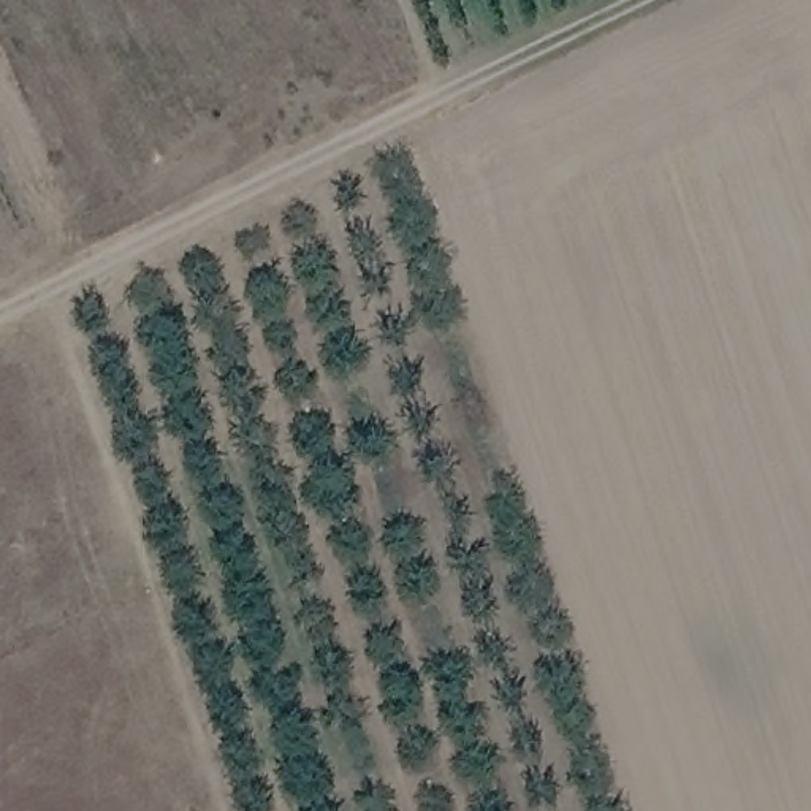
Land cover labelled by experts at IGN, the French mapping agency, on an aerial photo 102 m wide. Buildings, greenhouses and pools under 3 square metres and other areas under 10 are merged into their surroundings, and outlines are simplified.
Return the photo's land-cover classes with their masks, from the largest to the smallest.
<instances>
[{"label":"agricultural land","instance_id":"1","mask_svg":"<svg viewBox=\"0 0 811 811\"><path fill-rule=\"evenodd\" d=\"M421 67L396 0H0V301L16 295L22 285L60 272L76 260L79 250H86L95 241L114 238L117 231L139 222H152L162 209L174 212L190 206L193 200H200L206 187L234 174L272 146H295L307 133L329 136L342 124L352 127L406 101L412 95V86H418ZM434 60H463L466 67L529 41L535 35V16L548 19L561 6H577L580 13H586L608 0H412ZM393 149H406L412 155V165L421 177V193L431 200L437 212V238L440 247L450 253V279L463 295V317L456 323L463 326V342L469 348L472 380L482 386L488 399L491 421L504 431L507 456L516 466V475L526 494V510L539 523L542 558L554 577V592L573 624V653L583 668V691L596 713L592 722L599 741L608 754L611 798H621L627 811H811V0H678L646 19H637L573 51L564 60H554L551 67H542L507 82L501 92H491L488 98H456L453 105L434 108L428 117L396 130ZM193 738V732L181 706L168 649L162 643L155 608L139 570V558L130 535L120 532L117 501L111 494L98 447L89 434L76 383L67 374L57 326L51 320L48 310L38 307L0 329V811H206L212 805L209 779H200L193 773V763L187 760V741Z\"/></svg>","mask_w":811,"mask_h":811},{"label":"deciduous trees","instance_id":"2","mask_svg":"<svg viewBox=\"0 0 811 811\"><path fill-rule=\"evenodd\" d=\"M374 174L390 203V228L399 247L406 250V272L412 291V304L406 314H380V336L383 342L396 345L406 342V333L415 326L440 329L456 323L463 317V295L450 279V253L440 247L437 238V212L431 200L421 193V177L412 165V155L406 149H393L377 152ZM361 184L355 174L345 171L336 181L339 206L358 203ZM282 228L295 247L291 266L304 282L307 314L317 333L323 336V361L333 377H345L348 371L364 364L367 345L358 339L352 326L348 301L339 288L336 253L317 231V209L310 203L295 200L282 212ZM345 234L364 291L383 295L390 288V279L383 250L377 247L374 231L361 219H352L345 222ZM269 244V231L257 225L241 228L234 238L241 257L263 250ZM181 272L196 298L200 323L212 339L209 358L219 367L222 399L238 418V425H231L228 431L250 459V478L260 494V523L266 526L272 548L291 567V586L320 577V564L314 561L307 542V523L291 504V466L276 459V428L260 412L263 386L257 383L253 367L247 364L250 348L244 329L238 326V304L225 285L215 253L196 247L187 250L181 263ZM139 314L136 336L149 355L152 383L162 393V409H139L136 377L127 361V342L111 333L105 304V298L95 288H86L73 301V310L76 326L89 336V364L111 409L114 453L130 463L136 494L146 507L143 535L149 548L158 554L162 580L174 596V634L190 653L196 684L206 694L209 719L222 738L219 748L222 763L228 770L234 811H272L269 786L260 776L257 744L247 732L244 700L238 684L231 681L234 659L250 662L253 694L266 703L272 716L269 729L279 751L282 789L298 811H339V801L333 798V770L326 757L317 751L310 719H323L326 725L364 722V697L352 694L348 649L336 640L333 605L320 596H310L301 599L295 621L307 627L326 703L307 710L301 703V665L276 668L285 630L276 618L272 589L260 570L253 539L244 532V497L222 472V459L212 440V415L196 383V355L184 326V314L174 304V295L158 269H139L127 291ZM155 418H165L168 434L181 440L184 469L200 488V513L212 529V554L222 564L225 608L238 621L234 640L219 637L209 602L196 596L203 573L193 558V548L187 545L181 504L174 501L168 488V472L158 459L152 431ZM244 288L253 304V317L263 326L266 345L279 355L276 383L288 402L291 396H307L317 386V377L298 358L295 348V326L285 310L288 285L282 272L276 266H257L247 272ZM390 383L396 393H412L421 383V364L409 358L390 367ZM399 409L409 418L412 434L431 431V406L402 402ZM396 437L383 418L374 415L348 425V444L336 453L333 421L326 412L317 409L298 412L291 418V444L307 459V478L301 491L310 507H317V513L329 520L326 539L342 567L348 570L352 605L374 602L383 599V580L377 567L367 564V526L358 520V485L352 466L361 459L386 456ZM421 475L434 482L437 497L450 516L447 554L453 561V570H459L463 611L469 618L494 615L491 573L485 558L501 551L513 564V573L507 577V596L529 624V637L535 643H561L573 634V624L554 592V577L542 558L539 523L526 510V494L516 475L504 469L494 472L488 494V516L494 532L466 542L469 507L456 494L450 463L440 456L437 444L418 450ZM383 548L393 554L396 564L399 596H434L437 570L434 561L425 554L421 520L412 513H393L383 520ZM364 649L380 672V710L396 732L399 760L406 770H418L434 754L437 741L428 725H421V684L406 659L399 624L393 621L371 624L364 630ZM475 640L485 653V662L494 665L504 678L494 681V694L510 713L513 748L516 754H535L542 748V738L535 722L523 710V678L507 659V643L501 634H478ZM425 662L431 665L440 722L453 738V770L459 779L472 782L475 792L469 798V811H510L507 795L494 789L497 744L485 741V706L466 697V684L472 678L469 656L463 649H437L425 656ZM535 675L539 691L548 697V706L554 713V725L570 744V782L580 789L583 811H627L621 798H611L608 754L599 741L592 722L596 713L583 691V668L573 653L539 656ZM529 805H554V773L526 770ZM361 811H396L393 789L386 782L371 779L355 789ZM418 811H453V798L444 786H418Z\"/></svg>","mask_w":811,"mask_h":811},{"label":"herbaceous vegetation","instance_id":"3","mask_svg":"<svg viewBox=\"0 0 811 811\"><path fill-rule=\"evenodd\" d=\"M377 152L374 146L348 152L339 162L345 171L355 174L361 184L358 203L339 206L336 181L317 190L310 203L317 209V231L336 253L339 288L348 301L352 326L358 339L367 345L364 364L348 371L345 377H333L323 361V336L317 333L307 314L304 282L291 266L295 247L282 228V212L269 206L253 219L257 225L269 231V244L263 250L241 257L234 238L225 228H203L196 247L215 253L225 285L238 304V326L244 329L250 348L247 364L253 367L257 383L263 386L260 412L276 428V459L291 466V504L307 523V542L314 561L320 564V577L291 586V567L272 548L266 526L260 523V494L250 478V459L228 431L231 425H238V418L222 399L219 367L209 358L212 339L200 323L196 298L181 272V263L165 260L158 269L174 295V304L184 314V326L196 355V383L212 415V440L222 459V472L244 497V532L253 539L260 570L272 589L276 618L285 630L276 668L301 665V703L307 710L326 703L307 627L295 621L301 599L310 596H320L333 605L336 640L348 649L352 694L364 697V722L326 725L323 719H310L317 751L326 757L333 770V798L339 801V811H361L355 789L371 779L386 782L393 789L396 811H418V786H444L453 798V811H469V798L475 792L472 782L459 779L453 770V738L440 722L431 665L425 662V656L437 649H463L469 656L472 678L466 684V697L485 706V741L497 744L494 789L507 795L510 811H583L580 789L570 782V744L554 725V713L548 706V697L539 691L535 675L539 656L573 653V634L561 643H535L529 637V624L507 596V577L513 573V564L501 551L485 558L491 573L494 615L469 618L463 611L459 570H453V561L447 554L450 516L437 497L434 482L421 475L418 450L437 444L440 456L450 463L456 494L469 507L466 542L494 532L488 516V494L494 472L504 469L516 475V466L507 456L504 431L491 421L488 399L482 386L472 380L469 348L463 342V326L456 323L440 329L415 326L406 333V342L396 345L383 342L380 336V314H406L412 304V291L406 272V250L399 247L390 228V203L374 174ZM352 219H361L374 231L377 247L383 250L390 279V288L383 295L364 291L345 234V222ZM257 266H276L282 272L288 285L285 310L295 326V348L298 358L317 377V386L307 396H291L288 402L276 383L279 355L266 345L263 326L253 317V304L244 288L247 272ZM409 358L421 364V383L412 393H396L390 383V367ZM402 402L431 406V431L412 434L409 418L399 409ZM317 409L326 412L333 421L336 453L348 444V425L374 415L383 418L396 437L386 456L361 459L352 466L358 485V520L367 526V564L377 567L383 580V599L374 602L352 605L348 570L342 567L326 539L329 520L317 513V507H310L301 491L307 478V459L291 444V418L298 412ZM393 513H412L421 520L425 554L434 561L437 570L434 596H399L396 564L393 554L383 548V520ZM393 621L399 624L406 659L421 684V725H428L437 741L434 754L418 770H406L399 760L396 732L380 710V672L364 649V630L371 624ZM478 634H501L507 643V659L523 678V710L535 722L542 738V748L535 754H516L513 748L510 713L494 694V681L504 678L494 665L485 662V653L475 640ZM526 770L554 773V805H529ZM111 333L127 342V361L136 377L139 409H162V393L152 383L149 355L136 336L139 314L127 291L105 304ZM57 326L67 374L76 383L89 434L98 447L111 494L117 501L120 532L130 535L139 558V570L155 608L162 643L168 649L181 706L193 732V738L187 741V760L193 763V773L200 779H209L212 805L206 811H234L228 770L222 763L219 748L222 738L209 719L206 694L196 684L190 653L174 634V596L162 580L158 554L149 548L143 535L146 507L136 494L130 463L114 453L111 409L89 364V336L76 326L73 310H63L51 320ZM152 431L158 459L168 472V488L174 501L181 504L187 545L193 548V558L203 573L196 596L209 602L219 637L234 640L238 621L225 608L222 564L212 554V529L200 513V488L184 469L181 440L168 434L165 418H155ZM231 681L238 684L244 700L247 732L257 744L260 776L269 786L272 811H298L282 789L279 751L269 729L272 716L266 703L253 694L250 662L234 659Z\"/></svg>","mask_w":811,"mask_h":811},{"label":"pervious surface","instance_id":"4","mask_svg":"<svg viewBox=\"0 0 811 811\"><path fill-rule=\"evenodd\" d=\"M421 67L418 86H412V95L406 101L352 127L342 124L329 136L307 133L295 146H272L234 174L206 187L200 200H193L190 206L174 212L162 209L152 222H139L117 231L114 238L95 241L86 250H79L76 260L60 272L22 285L16 295L0 301V329L38 307L48 310L51 320L63 310H73V301L86 288H95L105 298V304L127 291L139 269H158L165 260L181 263L187 250L196 247L203 228H225L234 238L241 228L257 225L253 219L269 206L282 212L295 200L310 203L317 190L336 181L345 171L339 162L348 152L374 146L377 152L393 149L396 130L428 117L434 108L453 105L456 98H488L491 92H501L507 82L542 67H551L554 60H564L573 51L637 19H646L678 0H608L586 13H580L577 6H561L548 19L535 16V35L529 41L466 67L463 60H434L412 0H396Z\"/></svg>","mask_w":811,"mask_h":811}]
</instances>
